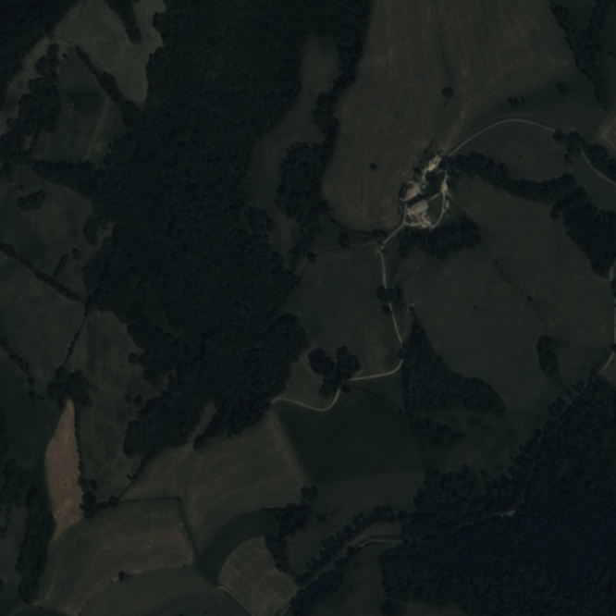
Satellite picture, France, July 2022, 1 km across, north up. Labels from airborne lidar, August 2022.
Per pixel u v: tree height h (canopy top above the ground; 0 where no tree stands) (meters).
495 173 21
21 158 11
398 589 17
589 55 14
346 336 0
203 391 14
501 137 0
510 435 0
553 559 21
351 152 0
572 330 0
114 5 10
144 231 18
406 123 0
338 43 0
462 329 0
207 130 16
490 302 0
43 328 0
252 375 25
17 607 0
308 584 6
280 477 0
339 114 0
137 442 17
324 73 0
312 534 0
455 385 21
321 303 0
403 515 16
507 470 0
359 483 0
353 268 0
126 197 18
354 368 19
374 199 0
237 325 20
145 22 0
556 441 15
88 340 0
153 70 17
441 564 19
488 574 24
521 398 0
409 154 0
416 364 19
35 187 0
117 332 0
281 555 18
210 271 17
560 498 18
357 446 0
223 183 21
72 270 0
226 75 14
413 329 8
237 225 8
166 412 18
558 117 0
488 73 0
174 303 18
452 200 0
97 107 0
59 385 19
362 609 0
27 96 13
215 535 0
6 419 21
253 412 26
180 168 20
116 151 20
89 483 13
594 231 19
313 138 0
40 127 8
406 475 0
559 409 19
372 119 0
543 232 0
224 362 19
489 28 0
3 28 20
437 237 20
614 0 19
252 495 0
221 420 24
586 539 21
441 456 0
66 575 0
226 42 9
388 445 0
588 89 0
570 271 0
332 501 0
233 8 13
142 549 0
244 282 23
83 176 11
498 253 0
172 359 18
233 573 0
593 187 0
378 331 0
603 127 0
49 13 20
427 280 0
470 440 0
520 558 23
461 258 0
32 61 0
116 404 0
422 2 0
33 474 0
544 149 0
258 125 20
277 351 18
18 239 0
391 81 0
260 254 22
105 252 6
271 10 14
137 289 23
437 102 0
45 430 0
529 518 19
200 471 0
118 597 0
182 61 13
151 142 18
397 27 0
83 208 0
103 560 0
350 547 0
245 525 0
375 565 0
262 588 0
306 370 0
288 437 0
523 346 0
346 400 0
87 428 0
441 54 0
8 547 0
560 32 0
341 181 0
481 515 12
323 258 0
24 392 0
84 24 0
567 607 23
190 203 17
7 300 0
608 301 0
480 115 0
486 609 28
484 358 0
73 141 0
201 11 14
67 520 0
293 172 21
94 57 0
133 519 0
